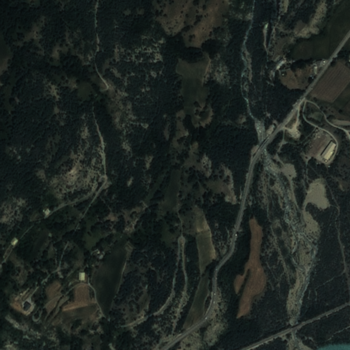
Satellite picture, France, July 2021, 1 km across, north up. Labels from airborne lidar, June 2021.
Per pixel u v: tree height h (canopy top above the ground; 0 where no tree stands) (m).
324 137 0
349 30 0
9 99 0
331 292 9
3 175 9
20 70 14
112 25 14
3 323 18
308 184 6
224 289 9
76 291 0
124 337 14
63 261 9
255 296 0
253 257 0
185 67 0
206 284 0
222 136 16
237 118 9
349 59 10
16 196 7
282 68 6
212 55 9
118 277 0
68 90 12
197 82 0
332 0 8
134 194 15
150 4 14
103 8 13
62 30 16
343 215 8
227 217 9
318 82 0
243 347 9
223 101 12
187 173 13
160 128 13
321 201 0
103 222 6
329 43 0
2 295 12
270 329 6
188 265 11
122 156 12
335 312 7
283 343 7
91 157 11
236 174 12
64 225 15
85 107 7
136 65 9
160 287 11
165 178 11
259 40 12
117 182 9
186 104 0
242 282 0
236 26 14
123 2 15
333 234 6
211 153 12
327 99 0
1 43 0
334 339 8
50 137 10
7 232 9
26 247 12
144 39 10
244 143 17
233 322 11
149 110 11
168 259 11
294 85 0
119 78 10
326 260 6
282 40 0
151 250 10
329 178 7
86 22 12
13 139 10
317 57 0
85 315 0
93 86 10
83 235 19
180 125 0
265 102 8
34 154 9
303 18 9
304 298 6
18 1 22
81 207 9
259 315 7
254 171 6
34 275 14
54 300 0
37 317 8
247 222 10
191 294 7
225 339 11
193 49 14
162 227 18
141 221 8
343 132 6
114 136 13
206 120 0
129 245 0
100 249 18
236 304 11
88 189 6
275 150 8
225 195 8
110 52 10
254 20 9
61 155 9
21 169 13
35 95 16
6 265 13
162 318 6
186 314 9
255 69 9
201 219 0
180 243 0
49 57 6
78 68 16
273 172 0
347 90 0
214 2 0
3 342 10
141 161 8
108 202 9
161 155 10
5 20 20
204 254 0
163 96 13
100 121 13
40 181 5
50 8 13
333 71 0
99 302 0
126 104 6
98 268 8
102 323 10
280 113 10
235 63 14
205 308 0
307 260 0
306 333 7
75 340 10
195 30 0
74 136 14
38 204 12
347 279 6
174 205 0
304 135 13
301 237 0
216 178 8
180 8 0
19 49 15
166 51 13
